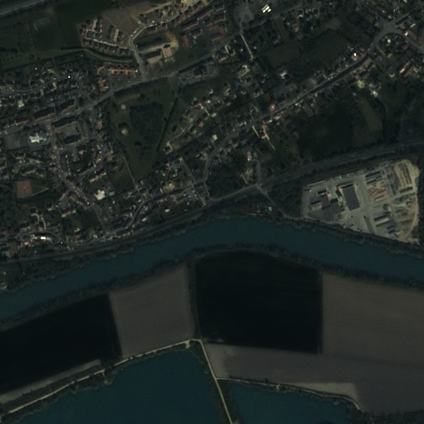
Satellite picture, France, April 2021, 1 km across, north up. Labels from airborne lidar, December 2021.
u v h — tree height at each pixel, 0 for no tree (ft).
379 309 0
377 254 0
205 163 0
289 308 0
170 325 0
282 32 0
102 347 0
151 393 0
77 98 42
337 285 0
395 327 0
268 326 0
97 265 0
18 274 0
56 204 0
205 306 0
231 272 0
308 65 19
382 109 32
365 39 0
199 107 0
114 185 0
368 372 0
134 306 0
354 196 0
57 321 0
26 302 0
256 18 24
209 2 0
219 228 0
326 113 0
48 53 0
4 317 0
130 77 0
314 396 24
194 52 0
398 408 0
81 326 0
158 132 53
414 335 0
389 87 28
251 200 71
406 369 0
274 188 22
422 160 59
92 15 0
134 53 0
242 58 42
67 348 0
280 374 0
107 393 0
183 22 0
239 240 0
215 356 0
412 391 0
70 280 0
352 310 0
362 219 0
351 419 34
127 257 0
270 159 0
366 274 43
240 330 0
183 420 0
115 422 0
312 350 0
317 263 25
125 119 0
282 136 22
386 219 0
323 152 0
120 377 0
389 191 0
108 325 0
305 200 0
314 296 0
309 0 33
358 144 0
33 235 0
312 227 23
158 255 0
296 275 0
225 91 0
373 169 0
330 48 0
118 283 41
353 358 0
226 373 0
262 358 0
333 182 0
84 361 0
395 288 0
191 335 0
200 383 0
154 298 0
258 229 0
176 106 24
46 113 0
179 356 0
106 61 0
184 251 0
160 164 24
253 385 31
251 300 0
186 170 0
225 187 30
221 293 0
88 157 22
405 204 0
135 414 0
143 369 0
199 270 0
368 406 0
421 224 39
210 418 0
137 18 0
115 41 0
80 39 0
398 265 0
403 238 0
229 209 63
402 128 75
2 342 0
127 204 0
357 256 0
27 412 47
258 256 0
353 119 45
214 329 0
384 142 31
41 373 0
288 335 0
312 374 0
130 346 0
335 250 0
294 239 0
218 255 0
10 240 32
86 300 0
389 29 0
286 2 0
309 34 24
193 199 0
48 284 0
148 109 54
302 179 45
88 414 0
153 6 0
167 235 42
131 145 0
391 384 0
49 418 0
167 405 0
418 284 27
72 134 0
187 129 0
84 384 20
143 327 0
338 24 0
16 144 0
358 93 0
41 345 0
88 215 0
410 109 68
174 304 0
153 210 0
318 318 0
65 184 24
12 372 0
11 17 41
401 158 23
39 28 0
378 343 0
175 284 0
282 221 37
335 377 0
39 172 0
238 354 0
